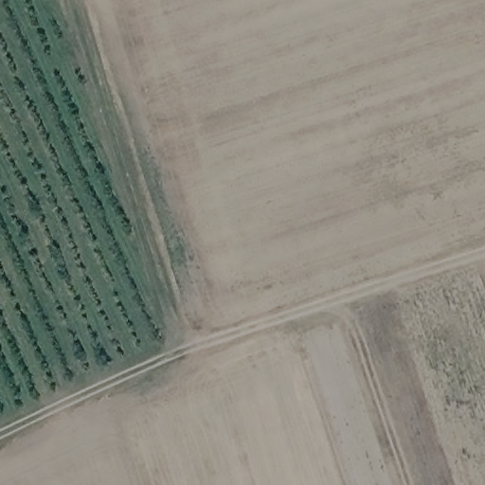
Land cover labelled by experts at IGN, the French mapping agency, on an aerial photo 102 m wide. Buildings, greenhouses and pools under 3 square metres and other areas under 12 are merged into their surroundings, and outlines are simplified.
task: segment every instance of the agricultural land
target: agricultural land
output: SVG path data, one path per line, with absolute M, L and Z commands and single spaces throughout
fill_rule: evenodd
M 400 282 L 390 292 L 345 303 L 337 309 L 332 309 L 330 313 L 322 311 L 309 314 L 273 328 L 246 333 L 233 341 L 210 349 L 191 352 L 188 356 L 184 354 L 159 368 L 152 369 L 150 373 L 138 379 L 114 386 L 108 398 L 80 407 L 63 421 L 47 422 L 44 428 L 28 434 L 25 438 L 11 441 L 8 447 L 0 451 L 0 485 L 485 485 L 485 260 L 458 265 L 455 269 L 445 269 L 436 275 L 428 275 L 417 280 Z
M 91 385 L 97 379 L 102 379 L 114 371 L 129 368 L 153 354 L 159 354 L 165 343 L 163 314 L 169 311 L 169 307 L 180 309 L 186 332 L 184 341 L 188 341 L 189 337 L 197 333 L 222 332 L 227 328 L 237 328 L 250 320 L 260 320 L 263 316 L 280 313 L 284 309 L 294 309 L 297 305 L 330 296 L 345 288 L 364 284 L 368 280 L 392 277 L 407 269 L 419 267 L 430 261 L 443 260 L 447 256 L 485 244 L 485 0 L 95 0 L 102 11 L 99 30 L 104 53 L 108 57 L 112 76 L 116 81 L 119 99 L 123 102 L 123 112 L 117 114 L 83 0 L 0 0 L 0 426 L 27 415 L 30 411 L 40 409 L 42 405 L 61 398 L 64 394 L 76 392 L 81 386 Z M 172 271 L 180 290 L 178 301 L 172 294 L 167 267 L 161 258 L 148 218 L 148 214 L 153 210 L 159 218 L 165 246 L 171 256 Z

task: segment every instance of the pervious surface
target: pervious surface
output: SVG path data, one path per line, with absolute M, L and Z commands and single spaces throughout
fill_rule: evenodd
M 117 114 L 123 112 L 123 102 L 119 99 L 116 81 L 112 76 L 108 57 L 104 53 L 99 30 L 102 11 L 95 0 L 83 0 Z
M 165 246 L 159 218 L 153 210 L 148 214 L 148 218 L 161 258 L 167 267 L 172 294 L 178 301 L 180 290 L 172 271 L 171 256 Z
M 332 309 L 337 309 L 345 303 L 390 292 L 400 282 L 417 280 L 428 275 L 436 275 L 445 269 L 455 269 L 458 265 L 485 260 L 485 244 L 447 256 L 443 260 L 430 261 L 419 267 L 407 269 L 392 277 L 368 280 L 364 284 L 345 288 L 330 296 L 297 305 L 294 309 L 284 309 L 280 313 L 263 316 L 260 320 L 250 320 L 237 328 L 227 328 L 222 332 L 197 333 L 189 337 L 188 341 L 184 341 L 186 332 L 180 309 L 169 307 L 169 311 L 163 314 L 165 343 L 159 354 L 153 354 L 129 368 L 114 371 L 102 379 L 97 379 L 91 385 L 81 386 L 76 392 L 64 394 L 61 398 L 42 405 L 40 409 L 30 411 L 27 415 L 0 426 L 0 451 L 8 447 L 11 441 L 25 438 L 28 434 L 44 428 L 47 422 L 63 421 L 80 407 L 108 398 L 114 386 L 138 379 L 150 373 L 152 369 L 159 368 L 184 354 L 188 356 L 191 352 L 210 349 L 233 341 L 246 333 L 273 328 L 309 314 L 322 311 L 330 313 Z

